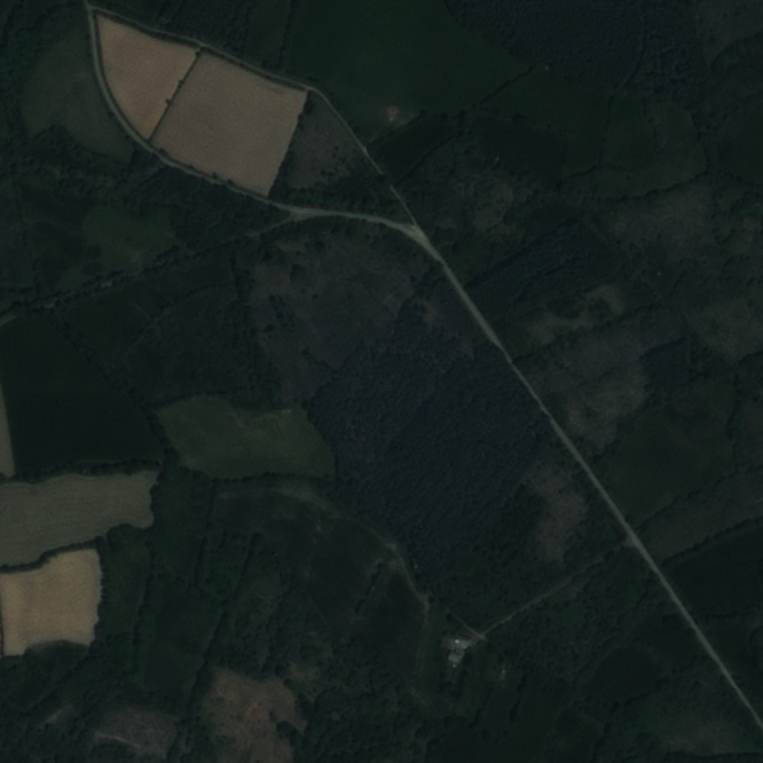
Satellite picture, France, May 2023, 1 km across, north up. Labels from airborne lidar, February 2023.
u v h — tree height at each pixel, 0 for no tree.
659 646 0
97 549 12
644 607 10
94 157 6
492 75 0
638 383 0
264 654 0
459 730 0
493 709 0
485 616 6
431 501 15
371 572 0
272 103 0
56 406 0
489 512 15
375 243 11
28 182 0
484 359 16
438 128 0
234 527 0
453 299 0
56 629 0
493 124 0
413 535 13
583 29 22
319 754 13
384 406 8
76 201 0
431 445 15
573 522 0
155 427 14
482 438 13
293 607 10
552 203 0
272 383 9
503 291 23
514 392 13
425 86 0
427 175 11
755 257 0
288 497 0
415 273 0
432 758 15
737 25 0
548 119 0
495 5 20
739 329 0
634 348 0
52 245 0
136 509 0
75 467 10
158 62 0
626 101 0
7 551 0
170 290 0
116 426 0
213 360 0
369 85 0
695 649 0
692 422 0
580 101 0
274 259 8
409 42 0
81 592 0
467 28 13
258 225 14
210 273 0
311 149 0
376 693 10
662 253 0
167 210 13
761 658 11
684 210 0
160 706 11
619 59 23
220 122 0
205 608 0
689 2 10
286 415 0
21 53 18
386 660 0
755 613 7
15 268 0
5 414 0
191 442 0
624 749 9
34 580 0
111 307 0
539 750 0
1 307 0
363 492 15
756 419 0
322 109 0
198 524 0
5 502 0
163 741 0
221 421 0
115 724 0
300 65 0
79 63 0
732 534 10
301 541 0
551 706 0
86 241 0
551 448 8
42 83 0
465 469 16
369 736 9
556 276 21
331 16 0
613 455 12
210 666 11
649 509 0
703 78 15
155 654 0
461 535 17
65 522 0
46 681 11
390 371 8
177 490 0
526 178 9
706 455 0
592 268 23
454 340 7
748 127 0
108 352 0
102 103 0
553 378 0
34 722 13
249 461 0
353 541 0
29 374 0
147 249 0
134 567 0
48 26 17
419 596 0
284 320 14
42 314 14
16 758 9
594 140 0
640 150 0
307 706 11
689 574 0
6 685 8
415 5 0
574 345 11
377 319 0
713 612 0
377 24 0
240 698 0
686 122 0
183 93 0
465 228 8
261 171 0
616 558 12
